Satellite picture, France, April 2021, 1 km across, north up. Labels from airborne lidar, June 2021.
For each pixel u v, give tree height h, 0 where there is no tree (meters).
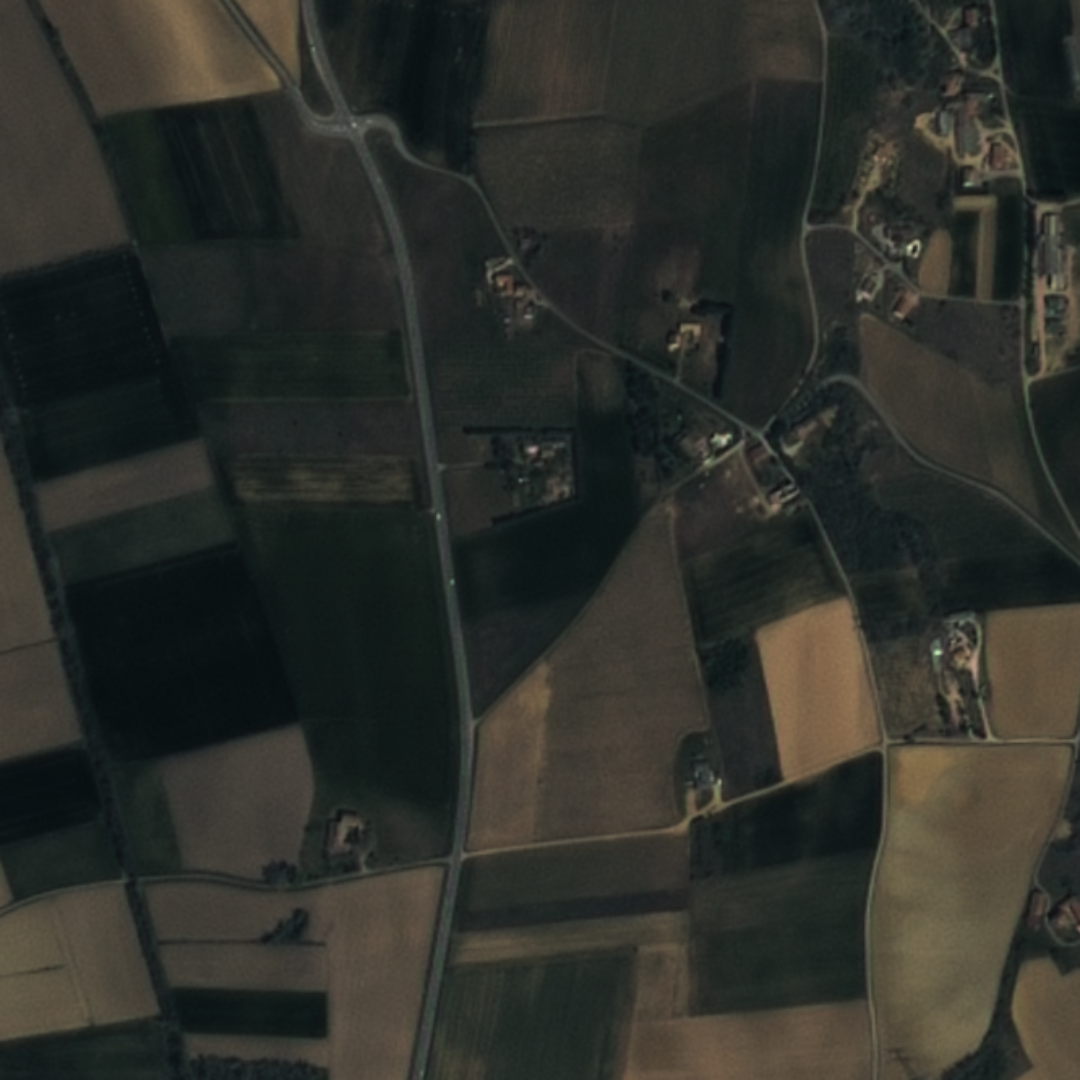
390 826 0
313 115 0
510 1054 0
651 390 10
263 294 0
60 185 0
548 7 0
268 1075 13
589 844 0
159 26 0
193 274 0
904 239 10
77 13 0
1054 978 0
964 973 0
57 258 0
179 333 0
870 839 0
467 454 0
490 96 0
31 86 0
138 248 0
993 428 0
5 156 0
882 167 0
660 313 0
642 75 0
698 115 0
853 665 0
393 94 0
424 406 0
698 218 0
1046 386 0
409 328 0
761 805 0
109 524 0
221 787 0
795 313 0
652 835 0
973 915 0
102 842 0
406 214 0
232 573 0
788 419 7
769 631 0
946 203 11
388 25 0
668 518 0
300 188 0
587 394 0
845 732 0
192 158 0
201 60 0
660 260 0
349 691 0
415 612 0
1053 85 0
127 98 0
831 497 6
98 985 0
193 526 0
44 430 0
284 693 0
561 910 0
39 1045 0
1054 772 0
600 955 0
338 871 9
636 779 0
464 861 0
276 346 0
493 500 0
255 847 0
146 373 0
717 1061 0
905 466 0
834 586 0
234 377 0
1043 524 0
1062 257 0
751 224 0
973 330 0
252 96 0
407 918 0
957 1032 0
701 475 0
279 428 0
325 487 0
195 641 0
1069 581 0
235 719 0
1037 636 0
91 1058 0
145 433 0
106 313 0
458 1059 0
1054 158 0
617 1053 0
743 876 0
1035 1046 0
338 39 0
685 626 0
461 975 0
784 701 0
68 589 0
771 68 0
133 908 9
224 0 0
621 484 0
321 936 0
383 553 0
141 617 0
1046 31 0
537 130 0
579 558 0
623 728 0
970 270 0
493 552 0
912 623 8
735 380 0
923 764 0
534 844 0
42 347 0
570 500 6
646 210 0
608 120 0
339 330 0
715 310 11
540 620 0
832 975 0
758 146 0
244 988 0
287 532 0
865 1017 0
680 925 0
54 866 0
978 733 7
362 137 0
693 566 0
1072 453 0
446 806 0
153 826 0
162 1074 0
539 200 0
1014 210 0
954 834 0
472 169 9
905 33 8
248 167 0
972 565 0
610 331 0
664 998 0
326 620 0
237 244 0
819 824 0
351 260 0
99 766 7
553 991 0
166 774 0
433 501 0
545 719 0
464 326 0
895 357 0
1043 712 0
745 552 0
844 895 0
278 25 0
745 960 0
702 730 0
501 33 0
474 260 0
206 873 0
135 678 0
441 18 0
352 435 0
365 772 0
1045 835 0
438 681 0
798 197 0
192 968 0
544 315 0
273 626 0
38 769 0
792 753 0
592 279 0
